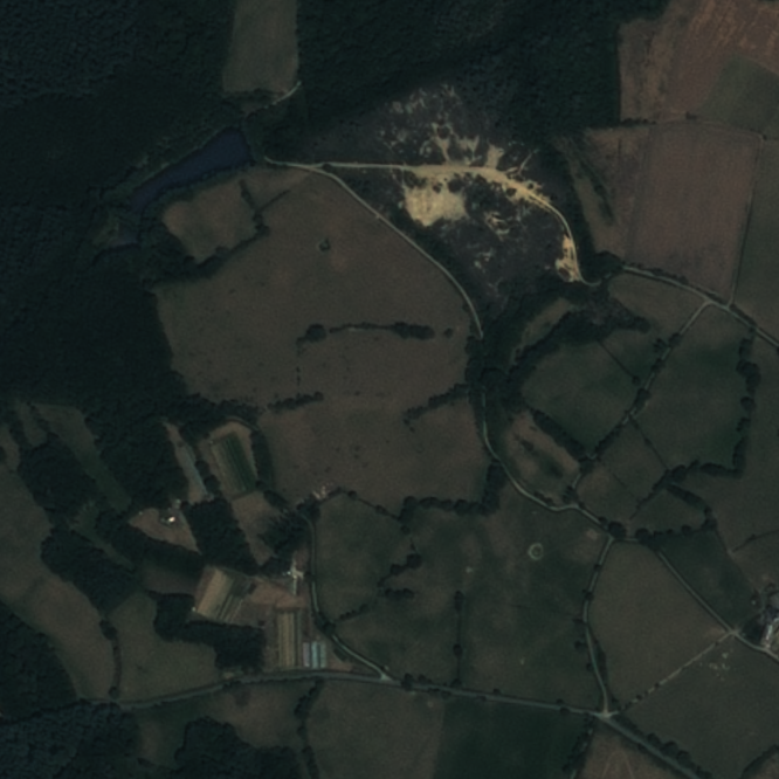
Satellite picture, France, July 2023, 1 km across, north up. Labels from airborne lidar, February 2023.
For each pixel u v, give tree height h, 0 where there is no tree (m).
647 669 0
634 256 0
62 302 20
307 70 18
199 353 0
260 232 10
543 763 0
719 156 0
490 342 12
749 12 0
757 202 0
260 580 0
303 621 0
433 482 0
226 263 14
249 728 0
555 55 17
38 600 0
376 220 0
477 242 0
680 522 0
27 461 15
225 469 0
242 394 0
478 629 0
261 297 0
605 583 0
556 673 0
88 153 13
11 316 18
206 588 0
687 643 0
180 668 0
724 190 0
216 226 0
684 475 13
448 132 0
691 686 0
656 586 0
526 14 19
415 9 17
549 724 0
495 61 17
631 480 0
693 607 0
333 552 0
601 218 0
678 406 0
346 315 0
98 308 15
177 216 0
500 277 0
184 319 0
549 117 9
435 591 0
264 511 0
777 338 0
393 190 0
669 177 0
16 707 26
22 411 0
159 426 18
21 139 15
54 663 15
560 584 0
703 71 0
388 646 0
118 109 13
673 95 0
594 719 11
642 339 0
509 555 0
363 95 9
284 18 0
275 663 0
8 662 23
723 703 0
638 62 0
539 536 0
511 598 0
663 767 0
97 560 23
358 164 0
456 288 0
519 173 0
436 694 12
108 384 19
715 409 0
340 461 0
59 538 19
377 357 0
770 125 0
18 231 18
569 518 0
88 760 17
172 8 12
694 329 0
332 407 0
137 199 0
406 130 0
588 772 0
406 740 0
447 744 0
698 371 0
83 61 16
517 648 0
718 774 0
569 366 0
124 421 14
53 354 13
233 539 19
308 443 0
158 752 0
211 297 0
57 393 16
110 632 12
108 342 19
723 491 0
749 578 0
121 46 20
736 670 0
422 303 0
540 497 8
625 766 0
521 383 23
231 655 13
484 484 0
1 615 22
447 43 15
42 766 35
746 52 0
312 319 0
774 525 0
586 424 0
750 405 17
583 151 7
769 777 0
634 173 0
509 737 0
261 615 0
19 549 0
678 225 0
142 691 0
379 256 0
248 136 21
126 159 12
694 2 0
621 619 0
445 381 0
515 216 0
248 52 0
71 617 0
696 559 0
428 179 0
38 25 24
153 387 19
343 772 0
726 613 0
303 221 0
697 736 0
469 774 0
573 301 22
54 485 18
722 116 0
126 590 19
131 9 24
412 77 16
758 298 0
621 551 0
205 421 15
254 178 0
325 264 0
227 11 16
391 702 0
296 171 0
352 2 20
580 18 14
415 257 0
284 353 0
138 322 18
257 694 0
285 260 0
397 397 0
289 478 0
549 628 0
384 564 0
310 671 0
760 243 0
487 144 0
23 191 14
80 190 18
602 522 11
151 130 13
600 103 14
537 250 0
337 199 0
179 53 6
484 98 15
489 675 0
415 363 0
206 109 15
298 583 0
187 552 6
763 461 0
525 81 11
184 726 0
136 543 16
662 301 0
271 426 0
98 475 0
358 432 0
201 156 0
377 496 0
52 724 29
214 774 14
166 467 20
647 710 0
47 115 19
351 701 0
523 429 0
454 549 0
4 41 22
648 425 0
